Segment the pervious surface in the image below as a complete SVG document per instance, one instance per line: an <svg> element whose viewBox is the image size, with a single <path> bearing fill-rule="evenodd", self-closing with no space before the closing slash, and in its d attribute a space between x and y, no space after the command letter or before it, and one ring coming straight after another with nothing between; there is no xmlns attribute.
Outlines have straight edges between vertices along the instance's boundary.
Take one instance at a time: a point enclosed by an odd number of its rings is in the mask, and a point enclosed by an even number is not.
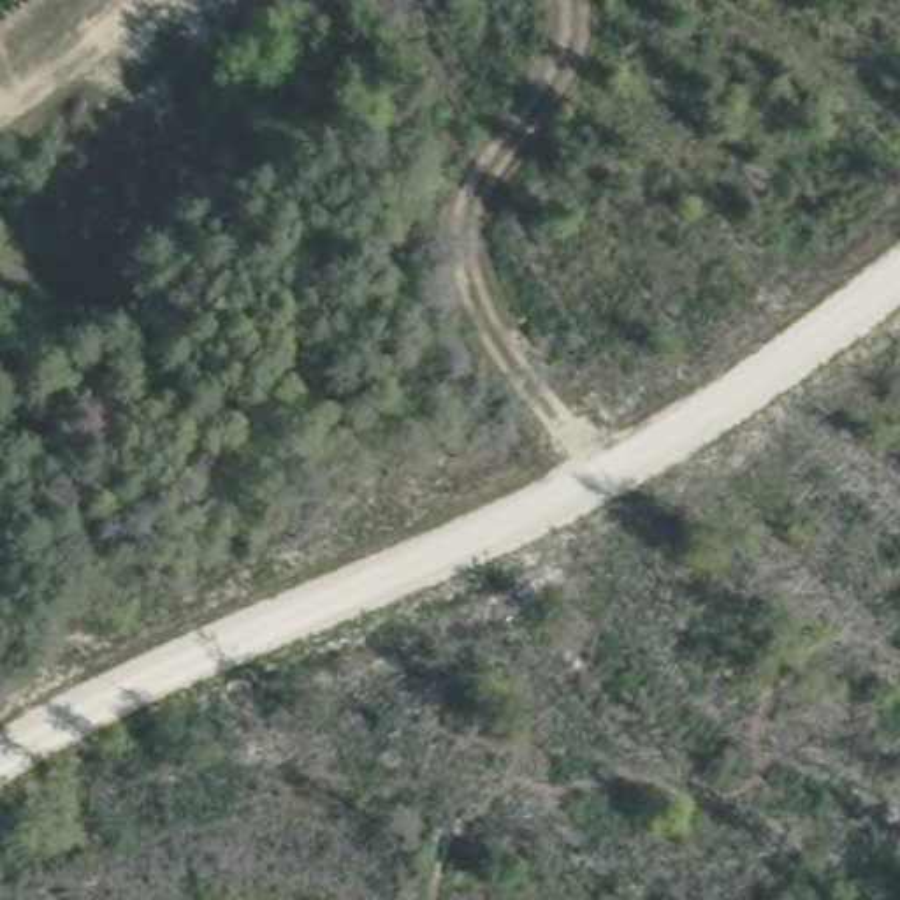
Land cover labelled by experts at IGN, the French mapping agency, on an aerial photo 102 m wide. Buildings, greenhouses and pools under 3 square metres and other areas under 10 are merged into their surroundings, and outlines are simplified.
<svg viewBox="0 0 900 900"><path fill-rule="evenodd" d="M169 640L49 700L46 707L25 714L11 724L11 731L0 735L0 784L28 770L39 756L81 742L95 724L109 724L130 707L162 700L172 689L207 679L221 664L267 654L299 636L330 629L341 619L355 619L359 612L383 608L411 591L454 577L461 566L492 563L513 552L517 545L541 538L548 527L573 524L615 492L636 489L664 468L686 461L696 446L749 418L756 408L763 408L773 394L791 390L837 348L868 334L893 306L900 306L900 246L872 267L865 267L851 285L830 295L823 306L816 306L809 316L802 316L795 327L788 327L780 338L763 345L745 362L738 362L731 373L696 390L693 397L664 408L647 425L612 432L594 429L587 418L580 418L548 387L548 341L538 334L527 341L520 334L520 320L503 313L489 292L482 246L482 197L499 183L499 176L510 172L513 158L538 165L541 176L559 169L555 113L563 109L559 95L577 81L573 70L580 67L591 46L587 0L559 0L559 32L548 42L548 53L531 56L531 74L517 84L513 105L506 113L482 116L482 130L489 134L489 141L475 144L478 162L468 165L461 176L464 193L454 197L439 225L439 236L432 239L436 274L429 274L422 288L436 295L439 306L468 309L485 355L503 373L510 394L524 401L534 422L548 432L552 450L563 457L563 464L548 471L541 482L506 499L496 499L468 517L457 517L429 534L408 538L338 573L327 573L278 598L257 601L253 608L200 626L179 640Z"/></svg>

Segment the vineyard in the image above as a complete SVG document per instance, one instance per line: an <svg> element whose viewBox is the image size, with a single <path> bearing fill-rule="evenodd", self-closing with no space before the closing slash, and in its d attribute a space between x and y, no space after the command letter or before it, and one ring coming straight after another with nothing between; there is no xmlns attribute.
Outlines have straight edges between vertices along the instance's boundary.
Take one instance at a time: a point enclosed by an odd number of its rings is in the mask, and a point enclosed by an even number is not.
<svg viewBox="0 0 900 900"><path fill-rule="evenodd" d="M7 35L21 28L28 18L35 18L49 0L0 0L0 56L11 53Z"/></svg>

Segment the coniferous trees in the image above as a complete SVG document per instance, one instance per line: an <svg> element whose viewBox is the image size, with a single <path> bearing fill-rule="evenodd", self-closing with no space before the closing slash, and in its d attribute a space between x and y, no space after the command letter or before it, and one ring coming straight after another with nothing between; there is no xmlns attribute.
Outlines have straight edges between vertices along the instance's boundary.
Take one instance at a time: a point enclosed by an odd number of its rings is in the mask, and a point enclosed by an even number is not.
<svg viewBox="0 0 900 900"><path fill-rule="evenodd" d="M95 724L81 742L39 756L28 770L0 784L0 900L900 900L900 306L893 306L868 334L837 348L791 390L773 394L763 408L756 408L749 418L696 446L686 461L664 468L636 489L615 492L573 524L548 527L541 538L517 545L513 552L492 563L461 566L454 577L411 591L383 608L359 612L355 619L341 619L330 629L299 636L267 654L221 664L207 679L172 689L162 700L130 707L109 724Z"/></svg>
<svg viewBox="0 0 900 900"><path fill-rule="evenodd" d="M788 327L795 327L802 316L809 316L816 306L823 306L830 295L851 285L865 267L872 267L900 246L900 0L587 0L591 46L580 67L573 70L577 81L559 95L563 109L555 113L559 169L541 176L538 165L513 158L510 172L499 176L499 183L482 197L482 246L489 292L503 313L520 320L520 334L527 341L538 334L548 341L548 387L580 418L587 418L594 429L612 432L647 425L664 408L693 397L696 390L731 373L738 362L745 362L763 345L780 338Z"/></svg>
<svg viewBox="0 0 900 900"><path fill-rule="evenodd" d="M496 499L506 499L541 482L548 471L563 464L563 457L552 450L548 432L534 422L524 401L510 394L503 373L485 355L468 309L439 306L436 295L422 288L429 274L436 274L432 239L439 236L439 225L454 197L464 193L461 176L468 165L478 162L475 144L489 141L489 134L482 130L482 116L506 113L513 105L517 84L531 74L531 56L548 53L548 42L559 32L559 0L183 0L183 7L144 4L137 14L127 14L123 42L137 56L120 63L123 81L116 84L116 91L77 81L67 91L46 98L42 105L21 113L11 127L0 127L0 735L11 731L11 724L25 714L46 707L49 700L169 640L179 640L200 626L253 608L257 601L278 598L327 573L338 573L408 538L429 534L457 517L468 517Z"/></svg>

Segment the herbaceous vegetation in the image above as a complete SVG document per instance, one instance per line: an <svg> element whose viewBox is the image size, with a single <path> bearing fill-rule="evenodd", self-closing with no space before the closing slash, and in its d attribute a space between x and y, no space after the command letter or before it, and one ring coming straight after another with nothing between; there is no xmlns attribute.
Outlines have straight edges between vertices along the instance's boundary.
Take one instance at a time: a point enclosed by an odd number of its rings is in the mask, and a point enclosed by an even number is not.
<svg viewBox="0 0 900 900"><path fill-rule="evenodd" d="M21 28L7 35L11 53L0 56L0 127L11 127L21 113L42 105L46 98L67 91L77 81L116 91L116 84L123 81L120 63L137 56L123 42L127 14L137 14L144 4L183 7L183 0L49 0L35 18L28 18Z"/></svg>

